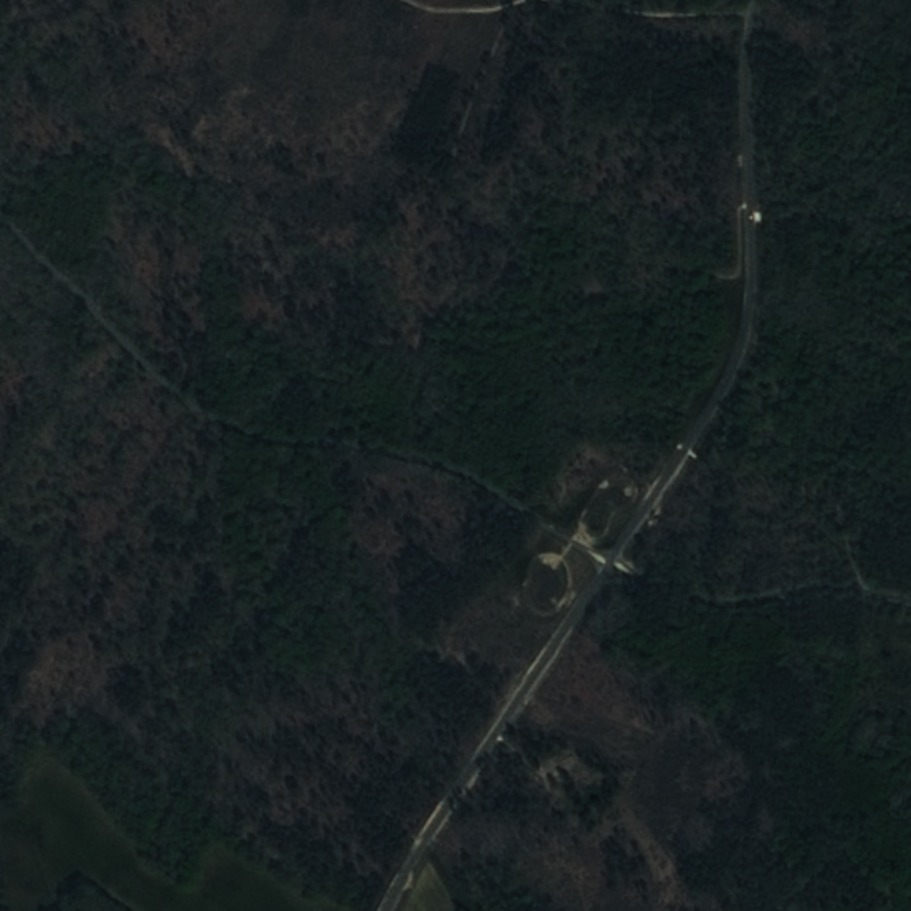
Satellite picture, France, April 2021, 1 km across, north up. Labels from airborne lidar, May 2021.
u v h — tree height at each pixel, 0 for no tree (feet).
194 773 65
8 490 46
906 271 75
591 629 48
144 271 23
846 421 68
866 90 38
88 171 45
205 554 63
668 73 46
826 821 41
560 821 43
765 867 85
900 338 47
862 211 63
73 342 37
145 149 70
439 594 78
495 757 29
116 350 39
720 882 45
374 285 41
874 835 71
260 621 39
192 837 73
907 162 42
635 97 31
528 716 0
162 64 34
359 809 48
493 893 89
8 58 82
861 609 70
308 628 58
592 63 43
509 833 48
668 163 24
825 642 57
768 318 57
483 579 82
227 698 40
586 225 43
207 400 58
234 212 58
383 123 27
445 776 48
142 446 50
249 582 26
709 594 61
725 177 23
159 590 73
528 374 63
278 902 0
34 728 54
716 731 31
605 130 27
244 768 49
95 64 37
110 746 60
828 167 47
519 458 75
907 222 52
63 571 34
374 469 35
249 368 68
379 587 30
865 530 47
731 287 0
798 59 47
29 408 63
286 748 50
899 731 39
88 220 50
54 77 70
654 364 68
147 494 35
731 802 24
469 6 0
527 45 39
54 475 47
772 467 43
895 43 32
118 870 0
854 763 43
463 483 31
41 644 60
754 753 49
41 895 0
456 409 90
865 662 39
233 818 46
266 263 35
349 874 44
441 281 74
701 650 50
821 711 35
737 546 61
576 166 27
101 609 53
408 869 0
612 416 28
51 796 0
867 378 54
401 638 69
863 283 52
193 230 61
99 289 63
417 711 38
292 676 42
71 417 41
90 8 48
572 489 51
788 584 28
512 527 80
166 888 0
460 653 41
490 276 70
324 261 60
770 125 48
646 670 55
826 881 71
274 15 0
